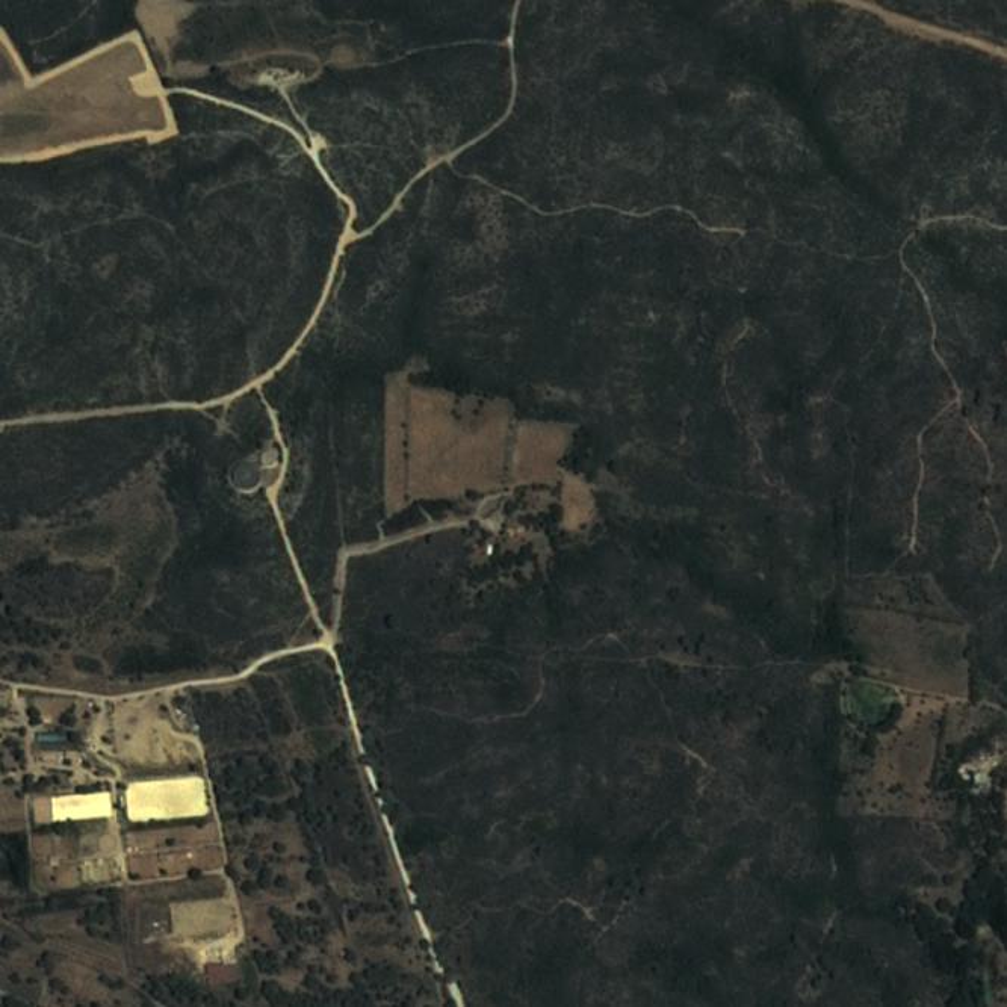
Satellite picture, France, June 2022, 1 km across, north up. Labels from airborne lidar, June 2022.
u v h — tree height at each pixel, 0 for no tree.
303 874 0
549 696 0
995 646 0
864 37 0
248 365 0
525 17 0
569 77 0
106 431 0
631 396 0
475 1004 9
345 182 0
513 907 0
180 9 0
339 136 0
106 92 0
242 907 0
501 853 0
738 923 0
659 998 0
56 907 11
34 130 0
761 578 0
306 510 0
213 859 0
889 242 0
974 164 0
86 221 0
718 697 8
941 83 0
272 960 11
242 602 0
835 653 6
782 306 0
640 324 0
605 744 0
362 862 0
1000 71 0
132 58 0
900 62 0
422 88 0
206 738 6
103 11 0
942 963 13
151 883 0
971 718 0
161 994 12
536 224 0
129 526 0
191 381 0
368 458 0
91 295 0
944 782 8
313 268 0
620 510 0
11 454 0
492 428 0
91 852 0
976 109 0
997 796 10
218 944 0
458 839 0
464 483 0
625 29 0
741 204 0
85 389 0
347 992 11
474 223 0
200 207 0
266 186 0
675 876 0
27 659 7
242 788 10
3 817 0
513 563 9
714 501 0
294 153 0
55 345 0
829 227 0
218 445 0
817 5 0
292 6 0
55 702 0
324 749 0
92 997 0
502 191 0
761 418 0
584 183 0
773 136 0
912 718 0
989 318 0
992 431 0
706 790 0
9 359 0
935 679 0
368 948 0
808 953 0
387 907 9
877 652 0
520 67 0
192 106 0
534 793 0
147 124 0
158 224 0
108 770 0
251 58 0
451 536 0
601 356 0
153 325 0
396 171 0
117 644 0
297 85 0
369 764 9
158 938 0
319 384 0
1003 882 8
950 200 0
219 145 0
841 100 0
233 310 0
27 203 0
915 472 0
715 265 0
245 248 0
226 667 0
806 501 0
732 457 0
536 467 0
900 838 0
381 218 0
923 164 0
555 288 0
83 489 0
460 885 0
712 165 0
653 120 0
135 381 0
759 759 0
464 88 0
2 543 0
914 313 0
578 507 0
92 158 0
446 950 10
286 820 12
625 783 0
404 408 0
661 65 0
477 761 0
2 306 0
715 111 0
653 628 0
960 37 0
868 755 10
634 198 0
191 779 0
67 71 0
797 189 0
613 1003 0
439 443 0
